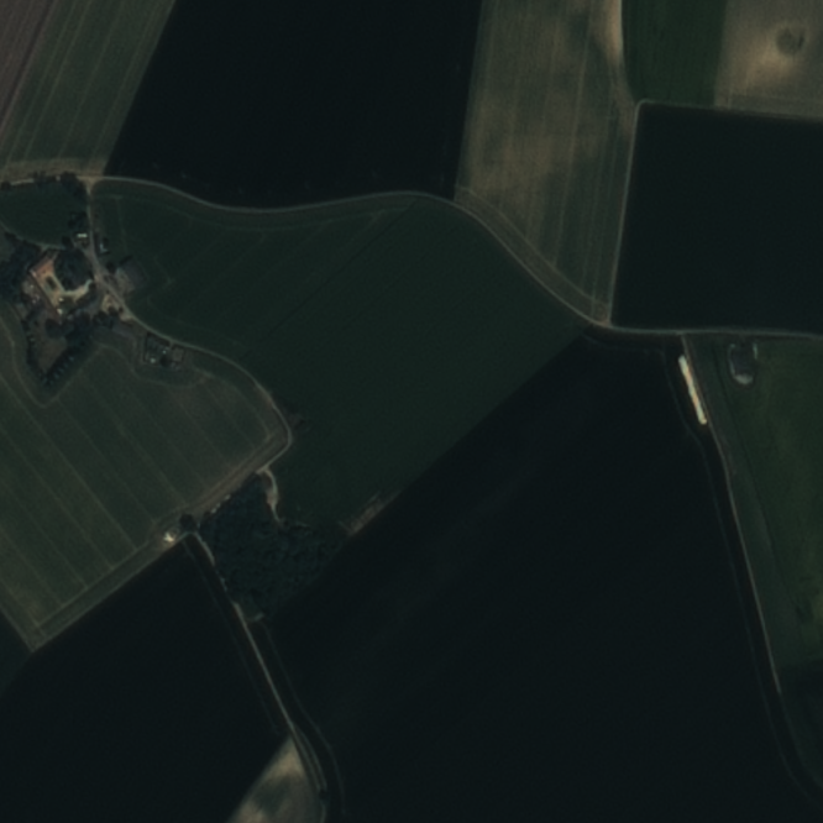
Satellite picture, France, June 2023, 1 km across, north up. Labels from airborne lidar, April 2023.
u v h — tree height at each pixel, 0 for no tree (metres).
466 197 0
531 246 0
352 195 0
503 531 0
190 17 0
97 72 0
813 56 0
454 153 0
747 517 0
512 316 0
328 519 0
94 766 0
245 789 0
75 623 0
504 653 0
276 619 0
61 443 0
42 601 0
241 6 0
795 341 0
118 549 0
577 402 0
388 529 0
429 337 0
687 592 0
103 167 0
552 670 0
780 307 0
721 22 0
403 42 0
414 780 0
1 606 0
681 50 0
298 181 0
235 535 17
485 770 0
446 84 0
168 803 0
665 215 0
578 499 0
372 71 0
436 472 0
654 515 0
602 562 0
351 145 0
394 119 0
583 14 0
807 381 0
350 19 0
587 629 0
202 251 0
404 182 0
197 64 0
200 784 0
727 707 0
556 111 0
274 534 18
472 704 0
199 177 0
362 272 0
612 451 0
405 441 0
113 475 0
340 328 0
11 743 0
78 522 0
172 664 0
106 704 0
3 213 0
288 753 0
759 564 0
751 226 0
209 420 0
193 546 0
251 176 0
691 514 0
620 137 0
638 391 0
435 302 0
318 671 0
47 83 0
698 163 0
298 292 0
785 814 0
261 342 0
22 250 14
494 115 0
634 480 0
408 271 0
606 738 0
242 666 0
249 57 0
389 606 0
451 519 0
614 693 0
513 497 0
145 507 0
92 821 0
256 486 15
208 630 0
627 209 0
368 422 0
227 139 0
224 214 0
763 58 0
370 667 0
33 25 0
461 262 0
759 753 0
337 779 0
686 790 0
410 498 0
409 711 0
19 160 0
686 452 0
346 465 0
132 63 0
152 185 0
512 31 0
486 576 0
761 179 0
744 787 0
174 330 0
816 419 0
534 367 0
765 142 0
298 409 0
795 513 0
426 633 0
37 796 0
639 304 0
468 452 0
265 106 0
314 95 0
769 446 0
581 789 0
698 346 0
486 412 0
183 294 0
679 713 0
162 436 0
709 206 0
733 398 0
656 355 0
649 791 0
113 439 0
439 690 0
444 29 0
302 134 0
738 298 0
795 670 0
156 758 0
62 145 0
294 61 0
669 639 0
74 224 10
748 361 0
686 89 0
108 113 0
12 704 0
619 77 0
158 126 0
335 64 0
